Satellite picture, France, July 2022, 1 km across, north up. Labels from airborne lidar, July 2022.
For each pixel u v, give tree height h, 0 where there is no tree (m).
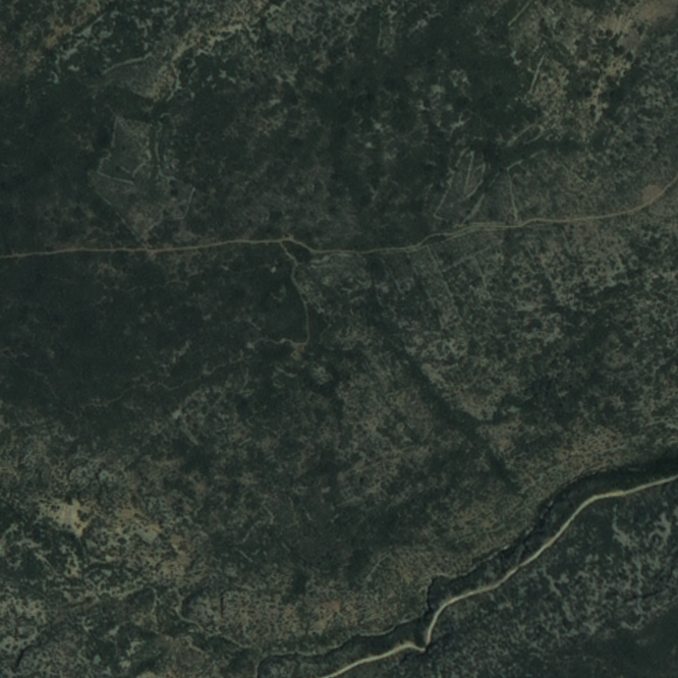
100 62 0
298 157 0
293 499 6
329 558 7
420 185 0
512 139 0
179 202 0
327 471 6
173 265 0
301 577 7
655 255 0
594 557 0
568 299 0
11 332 0
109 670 0
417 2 0
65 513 0
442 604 0
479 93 0
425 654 7
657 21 0
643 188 0
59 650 0
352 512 7
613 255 0
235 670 6
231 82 0
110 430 0
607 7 0
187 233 0
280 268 8
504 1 0
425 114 6
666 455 10
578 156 0
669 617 0
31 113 0
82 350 0
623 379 0
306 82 0
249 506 6
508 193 0
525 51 0
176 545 0
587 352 7
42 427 0
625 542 0
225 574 0
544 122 0
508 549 6
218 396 0
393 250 0
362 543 6
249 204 0
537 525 6
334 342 0
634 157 0
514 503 0
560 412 6
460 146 0
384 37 0
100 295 0
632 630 0
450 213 0
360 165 0
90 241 0
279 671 0
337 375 6
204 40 7
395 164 0
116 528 0
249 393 0
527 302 0
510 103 0
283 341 0
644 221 0
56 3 0
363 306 5
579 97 7
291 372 8
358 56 0
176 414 0
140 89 0
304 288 0
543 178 0
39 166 0
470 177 0
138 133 0
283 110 0
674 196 0
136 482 0
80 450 0
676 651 0
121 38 0
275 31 0
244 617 0
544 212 0
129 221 0
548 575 0
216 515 0
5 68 0
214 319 0
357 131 0
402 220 0
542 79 0
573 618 0
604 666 0
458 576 7
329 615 0
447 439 0
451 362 6
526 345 0
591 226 0
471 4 0
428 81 0
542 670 0
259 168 0
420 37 0
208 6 0
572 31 0
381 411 0
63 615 0
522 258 0
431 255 0
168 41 0
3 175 0
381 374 0
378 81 0
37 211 0
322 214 0
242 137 0
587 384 6
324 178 0
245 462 6
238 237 0
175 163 0
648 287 0
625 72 9
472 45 0
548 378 8
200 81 0
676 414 0
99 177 0
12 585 0
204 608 0
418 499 8
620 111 0
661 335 7
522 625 0
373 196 0
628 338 8
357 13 0
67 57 0
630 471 7
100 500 6
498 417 7
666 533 0
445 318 0
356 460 6
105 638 0
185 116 0
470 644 0
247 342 0
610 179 0
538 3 0
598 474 6
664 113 0
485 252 0
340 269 0
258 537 0
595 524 0
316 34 0
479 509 0
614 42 7
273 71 0
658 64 0
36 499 0
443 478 7
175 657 0
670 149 0
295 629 0
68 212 0
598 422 5
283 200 0
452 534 0
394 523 6
